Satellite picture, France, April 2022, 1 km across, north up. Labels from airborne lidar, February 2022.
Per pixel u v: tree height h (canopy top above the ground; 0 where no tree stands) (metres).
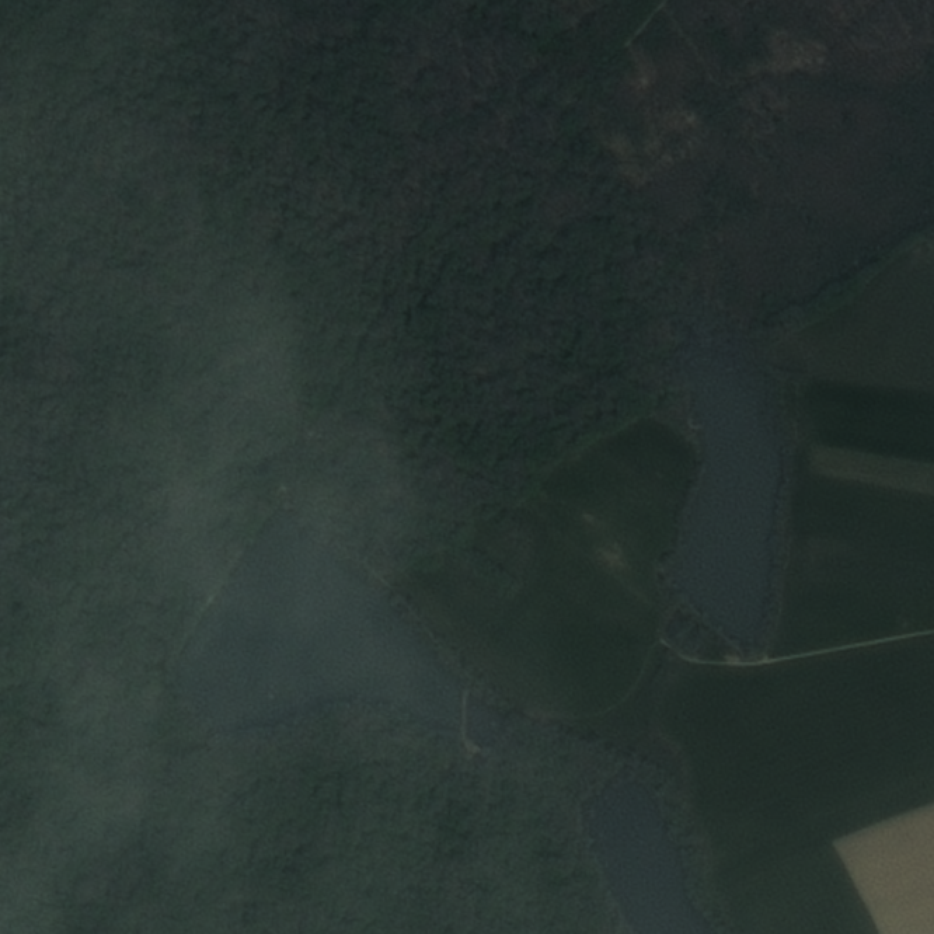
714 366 0
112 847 29
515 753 24
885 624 0
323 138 24
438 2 26
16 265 21
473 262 29
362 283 25
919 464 0
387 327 28
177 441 24
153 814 23
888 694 0
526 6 25
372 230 23
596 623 0
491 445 24
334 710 18
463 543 20
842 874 0
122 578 26
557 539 0
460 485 27
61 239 24
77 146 26
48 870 23
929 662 0
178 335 25
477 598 0
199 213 26
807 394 0
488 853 28
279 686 0
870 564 0
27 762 26
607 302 25
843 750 0
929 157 13
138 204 27
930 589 0
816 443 0
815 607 0
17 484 20
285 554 0
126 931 26
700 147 15
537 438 27
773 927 0
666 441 0
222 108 29
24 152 23
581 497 0
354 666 0
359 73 24
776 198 10
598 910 24
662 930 0
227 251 21
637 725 0
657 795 17
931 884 0
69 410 28
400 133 26
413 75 26
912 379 0
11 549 27
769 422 10
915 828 0
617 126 23
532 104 29
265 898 27
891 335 0
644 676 0
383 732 24
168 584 25
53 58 24
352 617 0
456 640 0
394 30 23
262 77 28
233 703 0
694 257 13
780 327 12
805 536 0
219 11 24
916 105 7
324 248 25
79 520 26
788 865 0
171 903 25
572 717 0
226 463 26
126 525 25
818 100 12
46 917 25
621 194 26
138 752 24
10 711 24
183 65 26
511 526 17
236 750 21
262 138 25
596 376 15
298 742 22
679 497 0
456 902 27
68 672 26
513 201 26
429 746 25
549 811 29
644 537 0
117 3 24
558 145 31
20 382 22
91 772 27
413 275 22
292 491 23
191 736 25
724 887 0
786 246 13
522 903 25
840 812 0
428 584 0
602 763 21
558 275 25
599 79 15
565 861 26
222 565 22
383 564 28
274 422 23
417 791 27
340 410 24
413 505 26
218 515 27
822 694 0
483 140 30
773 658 0
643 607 0
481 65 31
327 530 23
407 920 28
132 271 22
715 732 0
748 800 0
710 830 0
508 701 9
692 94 15
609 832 0
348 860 13
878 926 0
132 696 23
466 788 25
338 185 21
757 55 12
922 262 0
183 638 15
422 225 21
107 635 28
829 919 0
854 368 0
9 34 24
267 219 29
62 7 25
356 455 24
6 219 30
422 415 22
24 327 25
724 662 0
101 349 23
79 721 28
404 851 21
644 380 22
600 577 0
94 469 25
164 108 26
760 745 0
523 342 27
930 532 0
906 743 0
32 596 24
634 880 0
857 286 20
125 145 22
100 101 29
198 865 25
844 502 0
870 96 14
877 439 0
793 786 0
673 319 17
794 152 12
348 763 27
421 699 0
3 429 19
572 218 26
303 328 27
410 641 0
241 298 25
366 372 27
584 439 20
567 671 0
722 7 21
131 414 28
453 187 26
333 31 28
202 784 27
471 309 28
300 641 0
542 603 0
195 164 24
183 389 23
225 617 0
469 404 28
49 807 28
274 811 27
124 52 23
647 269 27
